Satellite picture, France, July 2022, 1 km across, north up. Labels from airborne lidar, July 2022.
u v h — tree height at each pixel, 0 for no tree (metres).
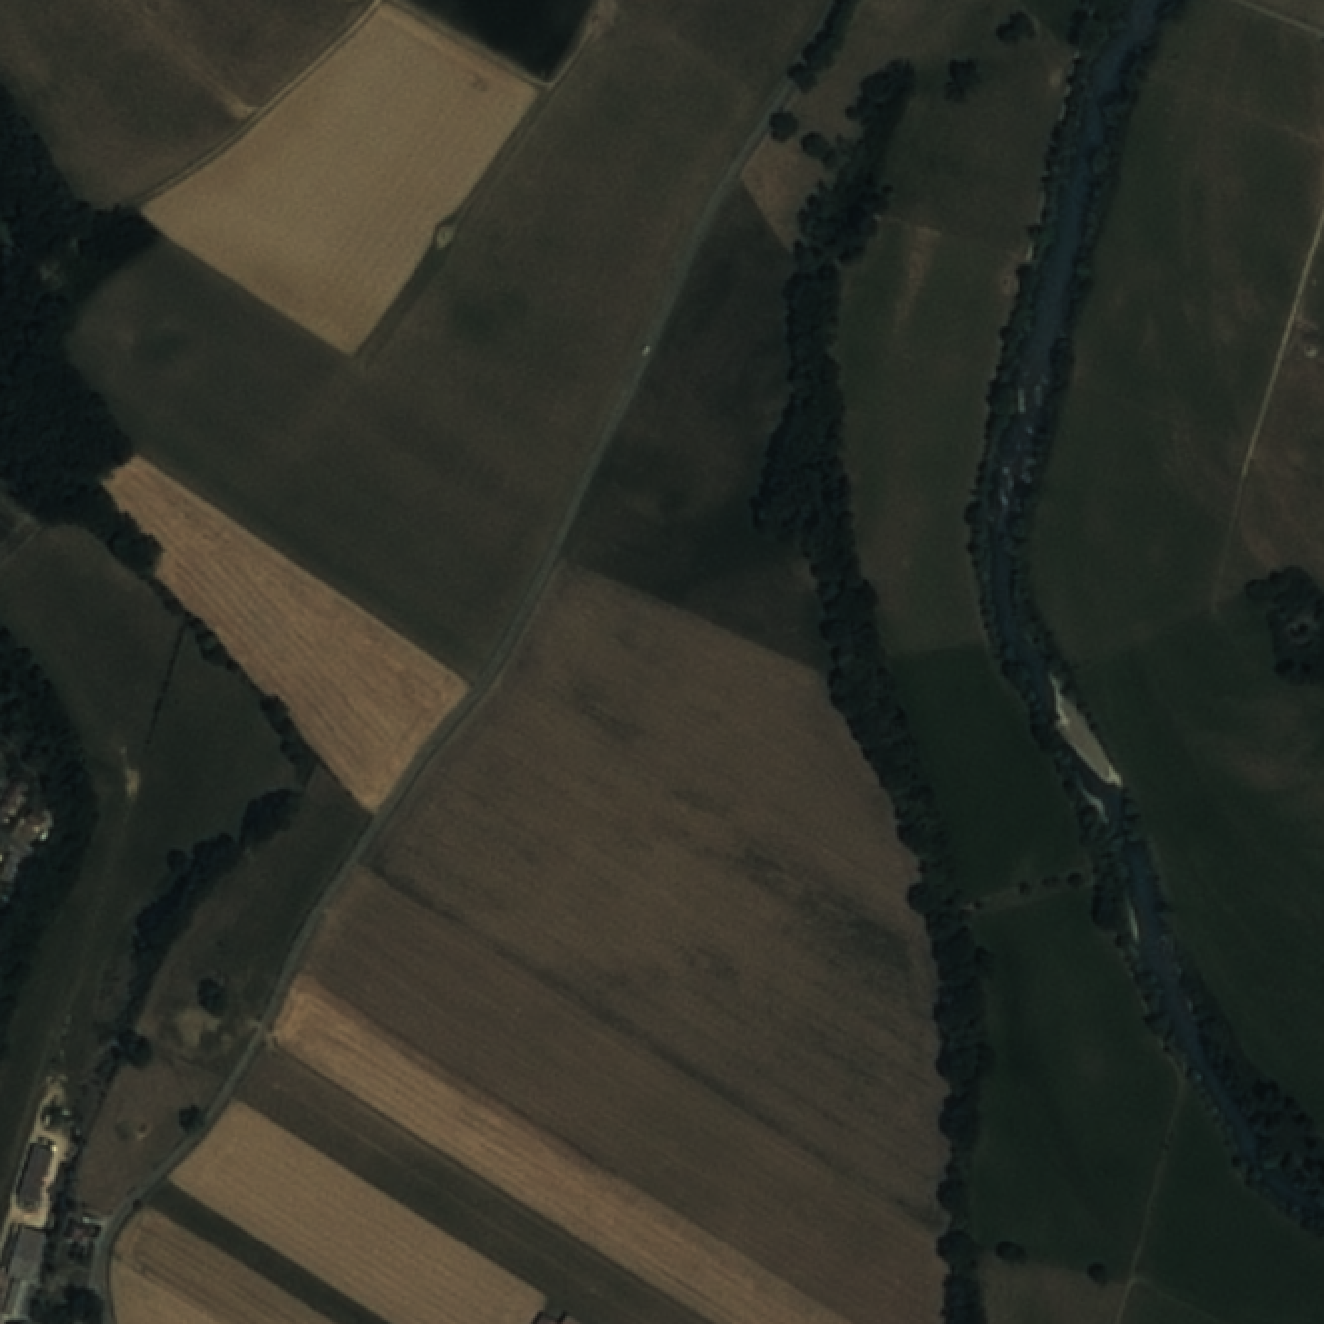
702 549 0
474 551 0
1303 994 0
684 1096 0
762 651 0
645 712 0
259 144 0
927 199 0
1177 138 0
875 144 11
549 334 0
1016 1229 0
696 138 0
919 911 17
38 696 15
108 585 0
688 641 0
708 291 0
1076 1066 0
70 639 0
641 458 0
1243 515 0
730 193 0
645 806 0
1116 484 0
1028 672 19
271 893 0
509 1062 0
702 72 0
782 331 0
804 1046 0
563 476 0
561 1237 0
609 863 0
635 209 0
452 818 0
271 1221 0
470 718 0
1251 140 0
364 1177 0
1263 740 0
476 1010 0
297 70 0
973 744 0
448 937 0
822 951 0
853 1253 0
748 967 0
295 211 0
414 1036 0
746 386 0
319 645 0
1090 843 6
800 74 15
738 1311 0
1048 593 0
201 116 0
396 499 0
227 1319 0
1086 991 0
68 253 22
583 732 0
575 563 0
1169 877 0
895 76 17
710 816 0
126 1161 0
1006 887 0
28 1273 0
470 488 0
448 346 0
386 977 0
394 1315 0
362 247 0
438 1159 0
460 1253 0
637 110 0
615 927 0
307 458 0
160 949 20
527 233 0
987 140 0
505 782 0
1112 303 0
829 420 21
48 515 25
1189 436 0
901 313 0
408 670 0
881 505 0
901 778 29
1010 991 0
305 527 0
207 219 0
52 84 0
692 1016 0
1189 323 0
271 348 0
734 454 0
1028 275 12
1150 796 0
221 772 0
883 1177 0
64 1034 0
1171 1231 0
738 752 0
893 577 0
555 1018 0
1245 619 0
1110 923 18
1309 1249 0
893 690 16
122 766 0
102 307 0
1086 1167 0
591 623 0
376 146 0
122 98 0
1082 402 0
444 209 0
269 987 0
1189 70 0
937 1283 0
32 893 19
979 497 9
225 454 0
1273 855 0
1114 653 0
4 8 0
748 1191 0
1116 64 0
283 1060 0
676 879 0
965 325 0
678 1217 0
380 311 0
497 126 0
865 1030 0
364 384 0
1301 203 0
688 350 0
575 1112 0
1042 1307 0
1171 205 0
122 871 0
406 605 0
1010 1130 0
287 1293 0
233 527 0
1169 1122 0
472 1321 0
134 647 0
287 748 9
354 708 0
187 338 0
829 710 0
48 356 21
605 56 0
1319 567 0
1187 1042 0
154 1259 0
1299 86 0
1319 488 0
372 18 0
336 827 0
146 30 0
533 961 0
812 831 0
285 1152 0
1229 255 0
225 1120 0
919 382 0
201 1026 0
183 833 0
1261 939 0
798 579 0
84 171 0
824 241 25
